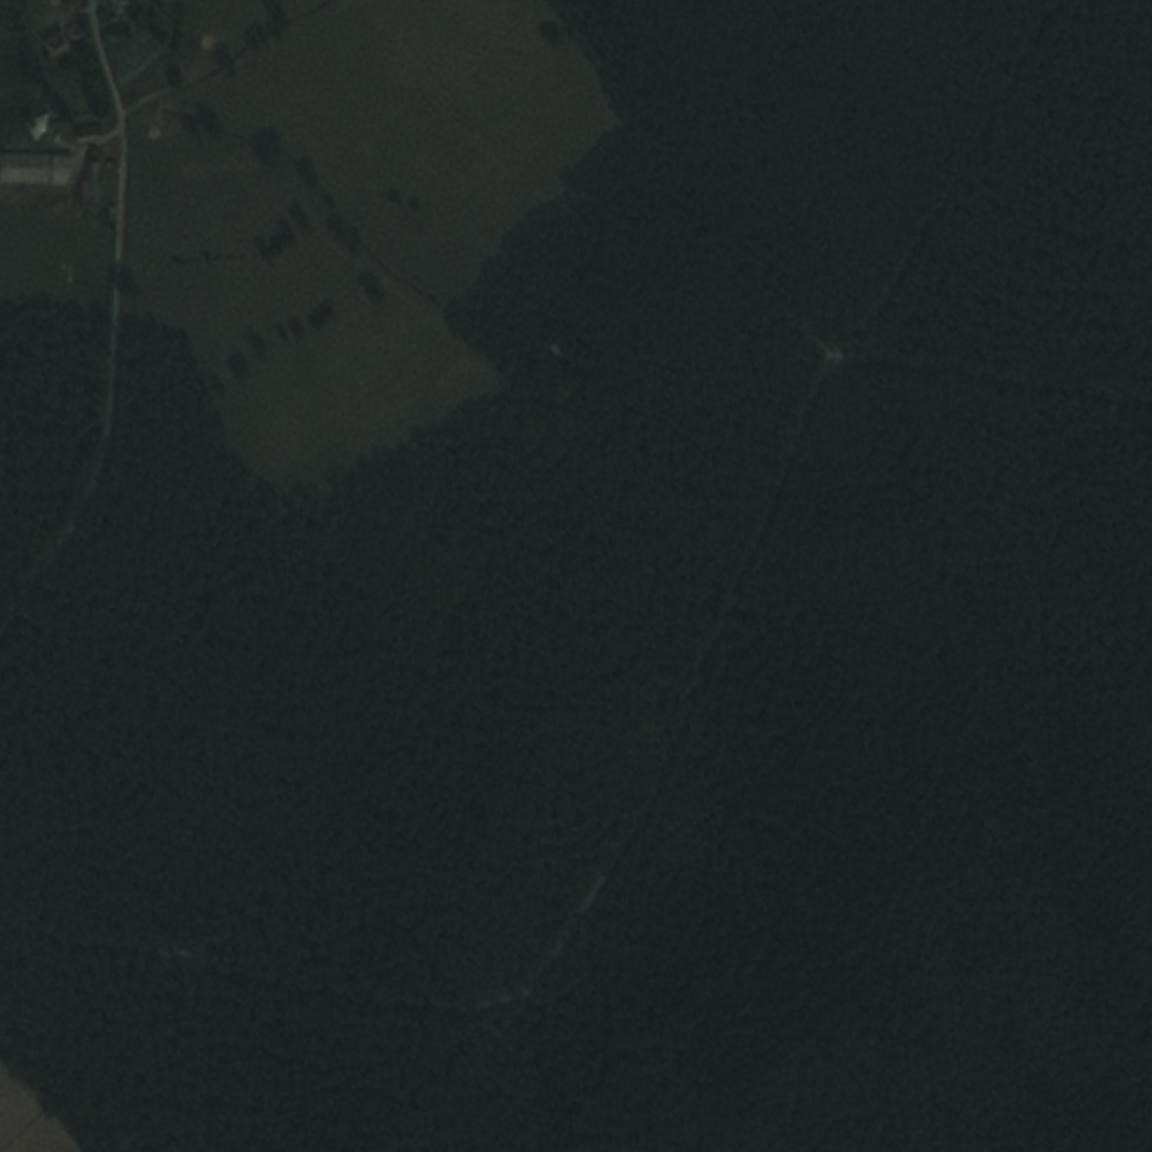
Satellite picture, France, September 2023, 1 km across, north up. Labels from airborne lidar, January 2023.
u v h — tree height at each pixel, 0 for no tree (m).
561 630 28
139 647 24
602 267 23
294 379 0
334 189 0
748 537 17
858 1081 20
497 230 0
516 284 18
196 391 15
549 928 12
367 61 0
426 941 22
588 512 25
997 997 20
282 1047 28
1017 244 28
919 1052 20
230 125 0
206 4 0
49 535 11
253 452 0
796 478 21
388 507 16
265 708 24
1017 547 23
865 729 21
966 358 27
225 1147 27
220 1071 27
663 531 25
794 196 22
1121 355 23
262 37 16
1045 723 23
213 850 28
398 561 18
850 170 22
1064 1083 20
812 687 19
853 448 23
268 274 0
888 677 20
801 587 20
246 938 27
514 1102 27
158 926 22
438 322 0
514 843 27
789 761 21
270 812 27
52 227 0
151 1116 24
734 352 22
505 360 16
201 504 26
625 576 25
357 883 29
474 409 12
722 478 18
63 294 0
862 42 21
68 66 8
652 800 11
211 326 0
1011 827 20
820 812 20
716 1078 22
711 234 12
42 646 19
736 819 20
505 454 13
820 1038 21
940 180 24
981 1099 17
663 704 20
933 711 22
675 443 18
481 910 18
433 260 0
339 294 0
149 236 0
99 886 28
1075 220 26
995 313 26
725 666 17
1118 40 25
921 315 20
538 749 25
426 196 0
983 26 25
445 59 0
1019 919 20
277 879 29
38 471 30
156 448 18
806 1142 19
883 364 23
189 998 23
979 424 25
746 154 22
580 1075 21
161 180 0
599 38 12
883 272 19
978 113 24
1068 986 19
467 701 28
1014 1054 17
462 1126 28
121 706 24
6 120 0
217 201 0
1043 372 25
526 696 24
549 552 24
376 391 0
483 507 15
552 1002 19
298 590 22
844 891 19
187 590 23
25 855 25
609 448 19
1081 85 27
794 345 23
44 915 27
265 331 0
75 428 17
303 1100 28
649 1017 23
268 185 0
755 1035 22
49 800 28
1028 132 25
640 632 26
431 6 0
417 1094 29
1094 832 26
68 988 29
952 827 20
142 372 11
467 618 17
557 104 0
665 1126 19
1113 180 24
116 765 27
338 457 0
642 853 9
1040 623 20
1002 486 22
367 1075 27
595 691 25
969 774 20
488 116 0
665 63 20
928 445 22
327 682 24
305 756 23
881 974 23
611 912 16
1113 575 24
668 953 20
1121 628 25
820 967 21
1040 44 24
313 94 0
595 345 17
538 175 0
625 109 13
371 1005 27
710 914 23
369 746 27
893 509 20
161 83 0
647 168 21
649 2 19
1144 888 22
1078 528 24
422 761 28
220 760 25
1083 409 23
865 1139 20
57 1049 28
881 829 24
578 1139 23
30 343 26
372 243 0
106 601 15
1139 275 24
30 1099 0
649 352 18
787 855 20
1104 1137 18
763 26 21
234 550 25
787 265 24
